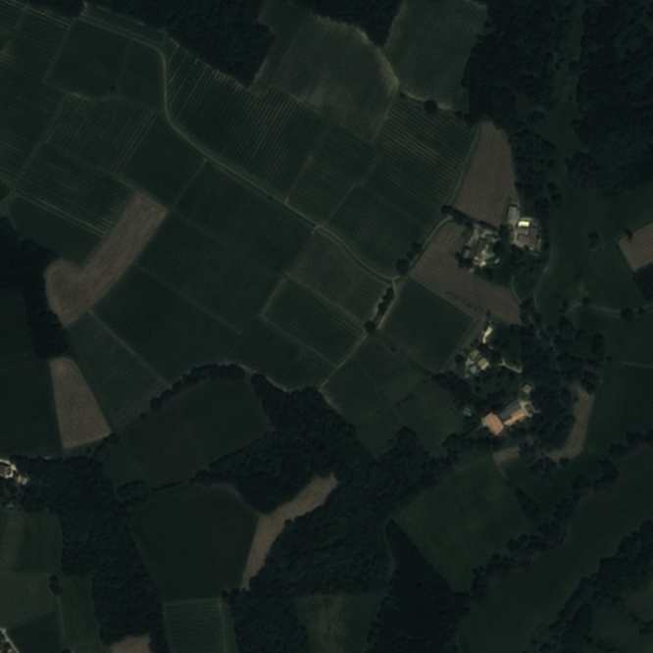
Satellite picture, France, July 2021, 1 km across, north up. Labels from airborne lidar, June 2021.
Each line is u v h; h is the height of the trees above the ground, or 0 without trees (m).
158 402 14
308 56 0
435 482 23
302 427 23
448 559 0
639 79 30
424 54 0
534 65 19
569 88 0
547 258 6
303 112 0
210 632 0
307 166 0
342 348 0
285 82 0
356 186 0
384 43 13
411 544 23
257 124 0
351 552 16
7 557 0
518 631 0
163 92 0
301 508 0
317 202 0
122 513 16
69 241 0
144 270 0
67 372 0
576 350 0
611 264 0
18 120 0
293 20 0
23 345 0
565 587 0
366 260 0
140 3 17
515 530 0
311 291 0
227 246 0
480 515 0
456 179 0
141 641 0
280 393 19
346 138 0
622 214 0
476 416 6
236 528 0
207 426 0
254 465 13
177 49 0
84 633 0
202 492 0
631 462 0
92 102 0
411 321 0
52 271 0
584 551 0
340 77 0
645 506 0
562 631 15
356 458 7
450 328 0
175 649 0
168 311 0
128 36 0
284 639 26
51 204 0
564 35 22
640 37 16
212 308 0
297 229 0
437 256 0
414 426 0
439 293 0
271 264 0
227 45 20
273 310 0
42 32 0
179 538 0
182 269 0
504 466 0
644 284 17
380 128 0
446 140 0
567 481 0
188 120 0
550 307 0
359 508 27
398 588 14
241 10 20
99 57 0
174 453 0
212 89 0
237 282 0
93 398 0
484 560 0
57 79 0
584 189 15
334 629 0
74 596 0
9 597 0
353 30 0
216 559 0
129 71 0
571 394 23
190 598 0
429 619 15
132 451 0
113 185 0
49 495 17
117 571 20
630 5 24
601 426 0
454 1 0
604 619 0
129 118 0
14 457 12
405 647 11
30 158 0
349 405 0
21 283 22
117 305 0
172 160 0
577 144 0
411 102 0
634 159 18
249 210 0
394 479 8
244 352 0
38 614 0
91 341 0
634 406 0
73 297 0
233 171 0
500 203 0
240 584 0
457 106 0
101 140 0
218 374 16
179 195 0
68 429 0
